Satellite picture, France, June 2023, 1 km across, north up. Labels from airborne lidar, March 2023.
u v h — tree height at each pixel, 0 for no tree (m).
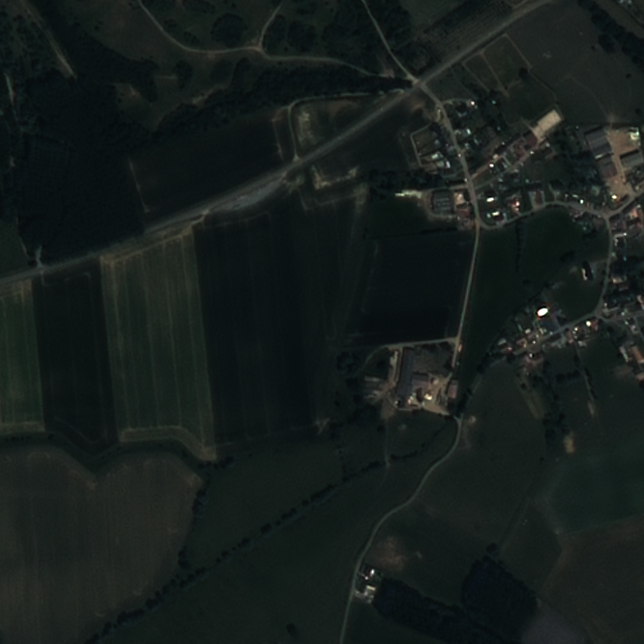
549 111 0
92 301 0
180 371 0
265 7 0
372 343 0
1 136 12
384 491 0
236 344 0
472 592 32
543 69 0
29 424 0
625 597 0
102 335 0
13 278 0
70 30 12
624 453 0
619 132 0
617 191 0
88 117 32
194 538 0
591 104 0
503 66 0
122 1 0
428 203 0
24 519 0
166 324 0
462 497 0
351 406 0
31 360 0
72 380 0
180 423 0
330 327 0
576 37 0
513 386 0
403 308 0
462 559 0
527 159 0
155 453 0
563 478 0
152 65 8
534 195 0
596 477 0
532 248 0
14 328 0
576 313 0
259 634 0
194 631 0
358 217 0
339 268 0
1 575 0
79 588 0
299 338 0
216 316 0
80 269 0
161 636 0
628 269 20
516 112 0
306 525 0
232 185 0
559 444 0
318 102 0
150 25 0
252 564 0
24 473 0
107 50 8
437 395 0
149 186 0
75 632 0
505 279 0
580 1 17
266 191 0
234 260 0
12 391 0
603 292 0
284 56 0
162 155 0
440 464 0
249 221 0
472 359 0
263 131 0
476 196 0
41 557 0
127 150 17
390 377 0
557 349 0
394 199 0
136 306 0
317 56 0
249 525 0
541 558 0
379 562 0
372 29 11
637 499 0
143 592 0
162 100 0
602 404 0
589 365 0
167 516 0
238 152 0
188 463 0
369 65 6
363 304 0
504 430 0
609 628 0
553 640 0
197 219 0
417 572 0
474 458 0
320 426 0
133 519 0
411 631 0
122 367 0
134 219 28
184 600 0
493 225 0
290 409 0
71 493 0
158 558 0
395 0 12
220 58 0
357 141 0
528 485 0
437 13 0
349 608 0
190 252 0
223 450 0
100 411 0
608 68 0
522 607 35
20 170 25
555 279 0
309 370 0
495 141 0
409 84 12
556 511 0
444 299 0
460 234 0
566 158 8
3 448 0
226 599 0
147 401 0
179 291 0
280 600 0
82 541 0
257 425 0
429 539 0
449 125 0
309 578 0
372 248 0
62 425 0
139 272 0
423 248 0
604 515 0
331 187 0
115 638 0
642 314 0
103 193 35
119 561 0
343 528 0
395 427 0
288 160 0
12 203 18
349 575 0
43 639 0
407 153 0
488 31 0
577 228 0
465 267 0
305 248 0
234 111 7
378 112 0
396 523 0
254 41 0
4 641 0
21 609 0
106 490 0
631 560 0
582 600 0
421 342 0
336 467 0
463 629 35
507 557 0
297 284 0
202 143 0
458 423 0
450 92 0
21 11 0
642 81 0
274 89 11
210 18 0
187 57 0
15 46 0
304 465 0
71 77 0
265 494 0
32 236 29
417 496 0
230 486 0
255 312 0
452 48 0
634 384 0
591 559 0
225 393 0
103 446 0
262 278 0
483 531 0
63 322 0
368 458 0
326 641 0
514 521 0
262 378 0
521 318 0
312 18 0
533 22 0
